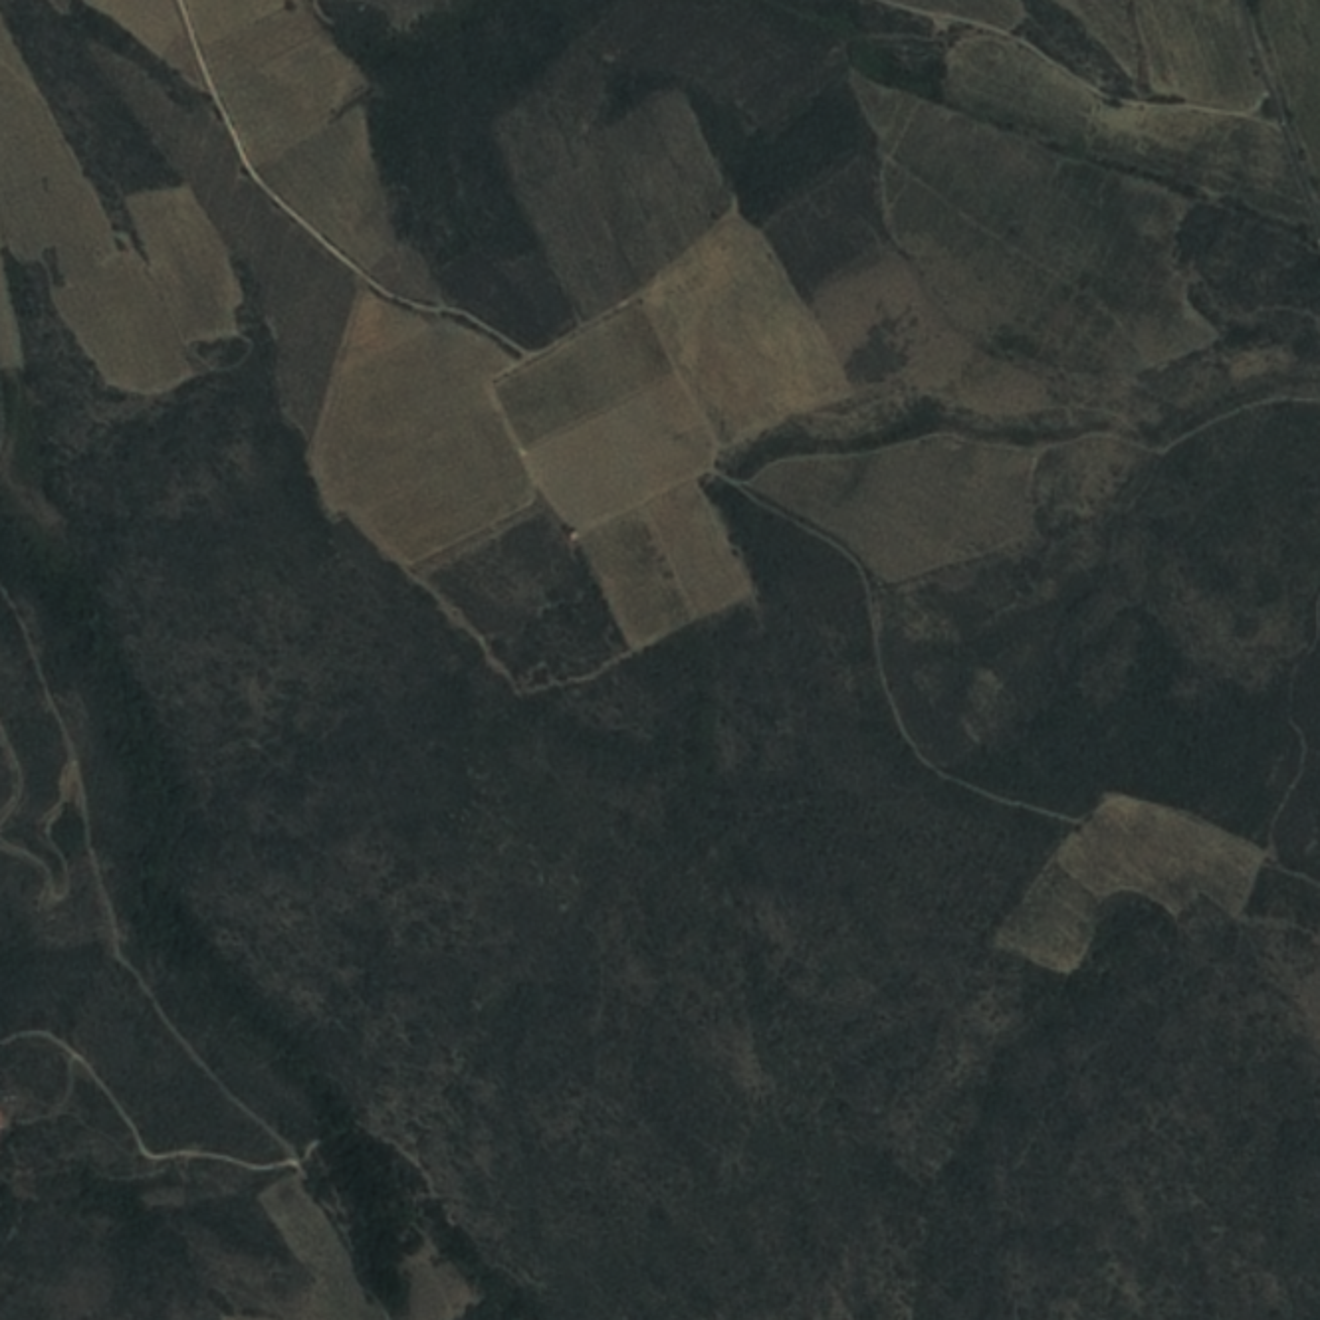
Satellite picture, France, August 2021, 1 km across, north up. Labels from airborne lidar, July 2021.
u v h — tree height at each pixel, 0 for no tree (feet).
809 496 0
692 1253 0
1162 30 0
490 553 0
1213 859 0
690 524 0
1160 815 0
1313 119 0
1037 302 0
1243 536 0
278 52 0
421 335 0
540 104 0
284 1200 0
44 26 0
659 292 0
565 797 0
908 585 0
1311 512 0
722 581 0
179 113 0
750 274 0
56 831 24
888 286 0
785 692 0
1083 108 0
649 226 0
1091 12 0
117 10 0
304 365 0
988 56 0
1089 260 0
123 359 0
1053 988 33
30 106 0
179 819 24
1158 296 0
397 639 0
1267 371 0
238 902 0
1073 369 0
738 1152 0
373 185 0
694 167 0
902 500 0
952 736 0
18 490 0
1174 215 0
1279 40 0
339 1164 21
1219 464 0
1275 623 0
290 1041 29
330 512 0
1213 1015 0
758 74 0
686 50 0
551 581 0
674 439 0
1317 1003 0
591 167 0
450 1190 0
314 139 0
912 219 0
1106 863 0
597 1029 0
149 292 0
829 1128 20
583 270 0
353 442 0
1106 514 0
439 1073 0
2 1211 25
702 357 0
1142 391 0
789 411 0
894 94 0
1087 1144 0
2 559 20
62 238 0
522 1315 27
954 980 0
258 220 0
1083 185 0
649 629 0
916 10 0
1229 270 0
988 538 0
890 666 0
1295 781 0
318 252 0
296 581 0
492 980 0
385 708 0
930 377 0
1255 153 0
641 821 0
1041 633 0
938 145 0
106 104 0
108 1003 0
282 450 0
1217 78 0
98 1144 0
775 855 0
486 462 0
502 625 0
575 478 0
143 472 0
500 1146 0
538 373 0
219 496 0
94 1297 0
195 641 0
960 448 0
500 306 0
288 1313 0
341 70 0
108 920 0
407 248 0
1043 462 0
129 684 34
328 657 0
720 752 0
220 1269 0
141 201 0
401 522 0
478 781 0
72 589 32
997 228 0
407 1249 24
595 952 0
